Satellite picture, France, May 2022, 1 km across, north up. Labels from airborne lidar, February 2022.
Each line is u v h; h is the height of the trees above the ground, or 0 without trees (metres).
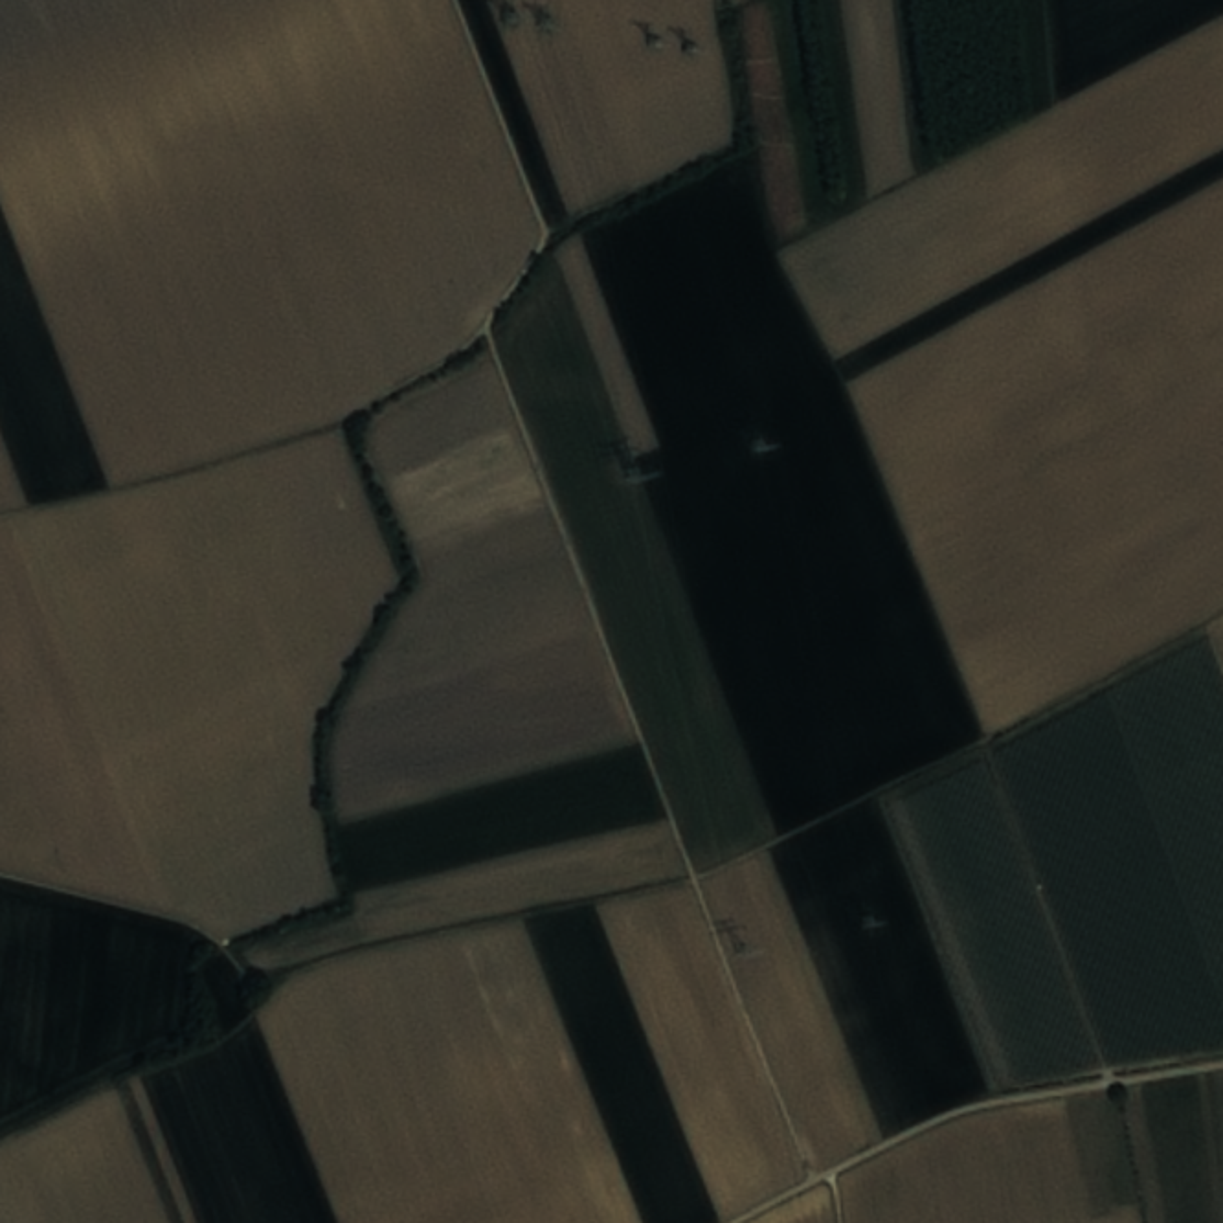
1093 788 0
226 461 0
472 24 0
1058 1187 0
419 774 0
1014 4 13
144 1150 0
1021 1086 0
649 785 0
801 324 0
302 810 0
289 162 0
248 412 0
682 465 0
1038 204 0
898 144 0
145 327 0
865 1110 0
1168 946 0
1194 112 0
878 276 0
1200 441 0
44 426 0
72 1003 0
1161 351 0
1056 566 0
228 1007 0
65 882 0
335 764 0
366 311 0
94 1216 0
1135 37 0
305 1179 0
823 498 0
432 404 0
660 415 0
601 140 0
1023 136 0
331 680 0
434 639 0
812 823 0
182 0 0
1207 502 0
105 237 0
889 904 0
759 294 0
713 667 0
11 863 0
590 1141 0
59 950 0
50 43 0
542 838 0
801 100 0
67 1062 0
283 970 0
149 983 0
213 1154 0
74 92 0
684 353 0
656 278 0
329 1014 0
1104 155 0
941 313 0
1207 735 0
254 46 0
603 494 0
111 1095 0
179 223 0
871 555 0
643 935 0
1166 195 0
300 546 0
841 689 0
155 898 0
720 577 0
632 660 0
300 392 0
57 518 0
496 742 0
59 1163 0
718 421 0
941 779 0
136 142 0
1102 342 0
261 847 0
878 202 0
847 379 0
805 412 0
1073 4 0
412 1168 0
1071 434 0
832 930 0
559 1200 0
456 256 0
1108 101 0
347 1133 0
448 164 0
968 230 0
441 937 0
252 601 0
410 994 0
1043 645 0
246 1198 0
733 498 0
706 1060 0
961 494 0
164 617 0
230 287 0
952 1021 0
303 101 0
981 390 0
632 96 0
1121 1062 0
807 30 18
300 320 0
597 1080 0
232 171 0
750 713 0
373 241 0
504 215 0
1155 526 0
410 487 0
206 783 0
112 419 0
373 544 0
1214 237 0
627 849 0
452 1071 0
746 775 0
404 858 0
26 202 0
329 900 0
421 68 0
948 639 0
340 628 0
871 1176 0
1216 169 0
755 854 0
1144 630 0
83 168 0
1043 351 0
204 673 0
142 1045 0
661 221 0
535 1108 0
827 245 0
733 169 0
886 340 0
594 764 0
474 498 0
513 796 0
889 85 0
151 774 0
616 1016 0
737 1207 0
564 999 0
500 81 0
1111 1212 0
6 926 0
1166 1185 0
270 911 0
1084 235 0
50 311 0
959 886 0
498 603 0
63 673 0
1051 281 0
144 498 0
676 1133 0
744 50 0
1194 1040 0
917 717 0
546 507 0
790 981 0
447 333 0
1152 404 0
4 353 0
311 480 0
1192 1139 0
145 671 0
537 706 0
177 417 0
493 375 0
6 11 0
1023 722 0
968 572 0
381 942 0
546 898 0
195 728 0
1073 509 0
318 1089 0
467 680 0
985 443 0
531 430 0
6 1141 0
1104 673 0
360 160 0
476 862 0
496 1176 0
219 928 0
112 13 0
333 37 0
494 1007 0
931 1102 0
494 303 0
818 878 0
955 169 0
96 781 0
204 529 0
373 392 0
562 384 0
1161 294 0
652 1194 0
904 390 0
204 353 0
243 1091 0
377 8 0
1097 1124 0
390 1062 0
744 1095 0
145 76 0
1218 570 0
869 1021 0
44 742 0
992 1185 0
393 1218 0
